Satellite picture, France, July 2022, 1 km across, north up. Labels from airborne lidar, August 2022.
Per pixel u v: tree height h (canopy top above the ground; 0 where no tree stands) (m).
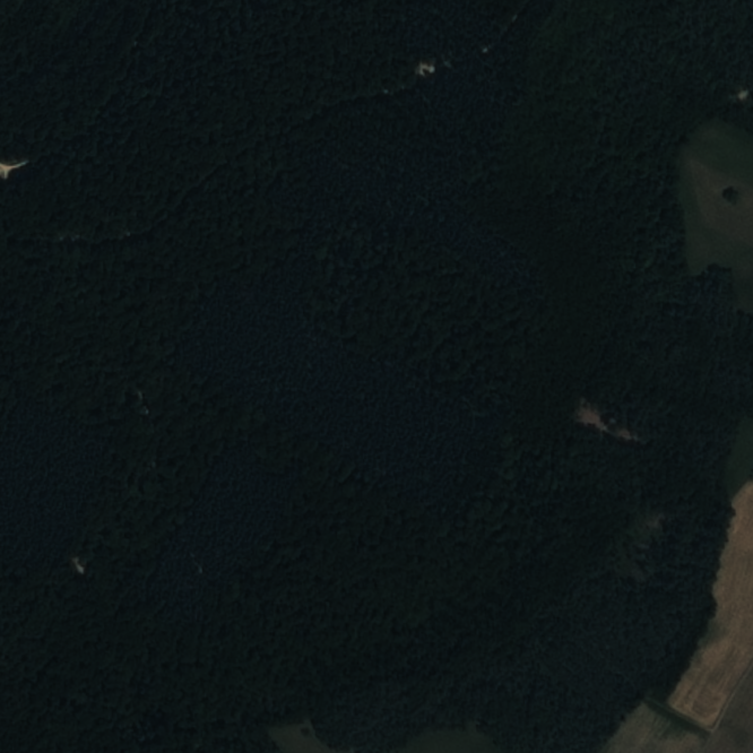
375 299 22
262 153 24
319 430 27
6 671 23
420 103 24
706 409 22
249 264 25
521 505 26
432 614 16
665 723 0
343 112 19
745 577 0
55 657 28
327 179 22
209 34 32
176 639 27
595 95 14
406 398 33
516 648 19
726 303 30
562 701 16
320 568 25
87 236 17
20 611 24
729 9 18
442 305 18
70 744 22
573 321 18
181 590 34
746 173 0
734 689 0
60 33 9
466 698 19
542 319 20
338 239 11
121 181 26
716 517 19
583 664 13
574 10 13
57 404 31
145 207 22
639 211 22
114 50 28
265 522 31
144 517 21
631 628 21
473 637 21
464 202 16
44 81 26
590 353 22
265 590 25
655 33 18
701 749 0
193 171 21
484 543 25
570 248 18
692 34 16
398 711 22
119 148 28
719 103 16
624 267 19
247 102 23
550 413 20
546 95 18
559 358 16
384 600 22
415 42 22
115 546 24
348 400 31
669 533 11
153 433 26
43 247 20
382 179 23
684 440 25
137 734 28
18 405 28
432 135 20
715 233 0
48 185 30
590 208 23
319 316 20
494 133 20
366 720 24
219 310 25
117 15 17
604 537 28
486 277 20
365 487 30
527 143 18
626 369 25
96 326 27
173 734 27
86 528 26
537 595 24
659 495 32
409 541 24
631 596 22
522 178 22
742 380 17
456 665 18
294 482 31
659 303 11
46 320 25
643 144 13
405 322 22
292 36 25
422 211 29
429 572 25
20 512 32
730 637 0
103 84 27
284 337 30
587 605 21
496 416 29
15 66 16
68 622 26
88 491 30
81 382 23
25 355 27
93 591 28
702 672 0
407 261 8
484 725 26
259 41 28
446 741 0
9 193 26
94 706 28
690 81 20
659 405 20
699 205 0
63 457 29
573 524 25
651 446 24
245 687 24
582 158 16
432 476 26
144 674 29
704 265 0
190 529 27
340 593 16
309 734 10
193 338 28
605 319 16
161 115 27
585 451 32
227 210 24
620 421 26
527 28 7
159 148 27
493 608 20
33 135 28
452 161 23
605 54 23
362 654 17
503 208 18
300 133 18
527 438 20
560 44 10
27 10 12
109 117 26
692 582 21
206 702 35
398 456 33
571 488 25
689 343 29
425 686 18
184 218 19
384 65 20
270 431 25
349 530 28
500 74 11
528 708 24
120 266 29
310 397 29
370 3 7
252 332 27
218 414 24
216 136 23
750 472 0
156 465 26
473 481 22
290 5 25
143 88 27
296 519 29
